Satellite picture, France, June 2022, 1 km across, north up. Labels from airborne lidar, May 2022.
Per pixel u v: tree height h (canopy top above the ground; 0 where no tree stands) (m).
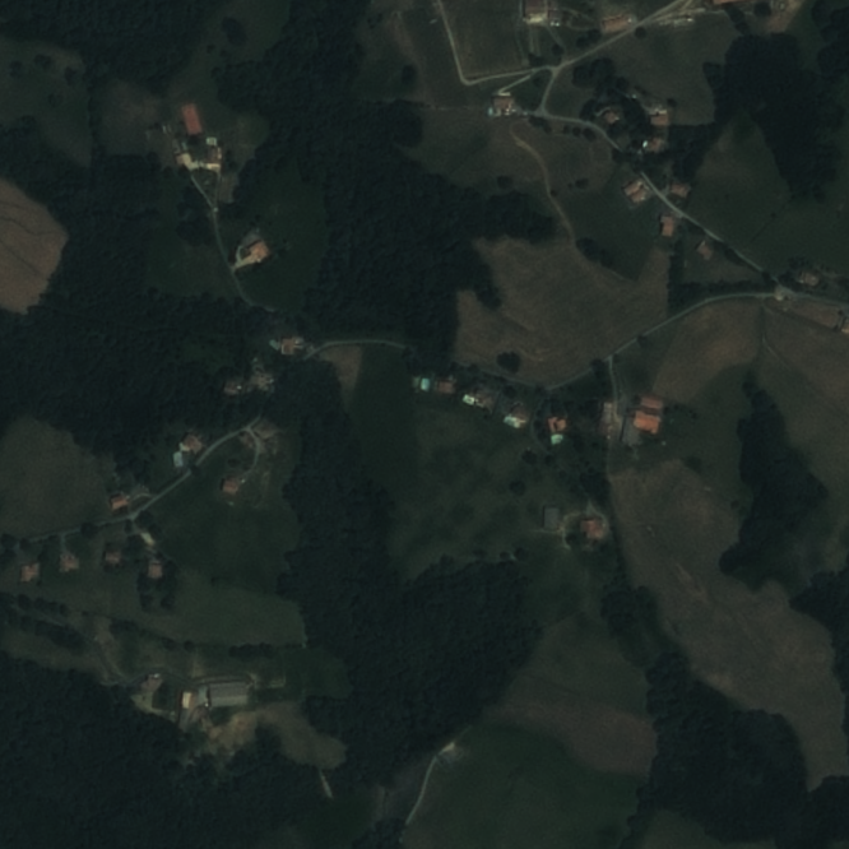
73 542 0
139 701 0
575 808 0
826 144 15
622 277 0
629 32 0
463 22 0
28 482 0
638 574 0
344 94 21
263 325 20
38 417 17
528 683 0
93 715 23
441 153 0
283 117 10
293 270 0
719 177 0
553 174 0
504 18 0
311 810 20
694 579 0
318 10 28
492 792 0
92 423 23
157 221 24
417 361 15
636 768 0
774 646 0
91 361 12
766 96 26
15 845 20
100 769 25
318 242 0
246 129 0
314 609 21
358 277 22
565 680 0
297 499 19
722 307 0
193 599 0
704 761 20
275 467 0
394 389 0
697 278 0
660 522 0
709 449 0
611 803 0
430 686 10
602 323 0
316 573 28
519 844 0
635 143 10
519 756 0
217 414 8
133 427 18
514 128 0
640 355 0
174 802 24
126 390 17
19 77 12
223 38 0
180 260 0
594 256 18
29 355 18
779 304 0
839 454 0
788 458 22
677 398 0
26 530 0
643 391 0
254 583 0
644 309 0
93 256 18
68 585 0
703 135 14
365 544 25
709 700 19
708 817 13
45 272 0
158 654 0
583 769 0
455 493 0
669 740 16
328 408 26
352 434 17
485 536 0
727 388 0
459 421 0
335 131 22
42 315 15
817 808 8
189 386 13
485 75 0
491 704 21
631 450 6
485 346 0
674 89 0
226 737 0
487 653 20
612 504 0
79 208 23
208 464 0
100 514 0
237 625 0
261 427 0
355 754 16
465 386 10
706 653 0
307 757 0
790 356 0
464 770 0
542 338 0
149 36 22
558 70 0
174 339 7
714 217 0
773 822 18
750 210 0
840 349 0
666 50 0
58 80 0
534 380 0
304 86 19
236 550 0
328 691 0
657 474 0
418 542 0
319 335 14
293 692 0
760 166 0
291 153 11
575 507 0
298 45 26
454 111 0
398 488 0
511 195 6
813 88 23
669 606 0
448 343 14
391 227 16
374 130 15
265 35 0
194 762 19
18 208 0
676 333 0
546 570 0
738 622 0
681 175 13
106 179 24
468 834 0
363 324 18
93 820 21
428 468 0
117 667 0
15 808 19
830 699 0
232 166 11
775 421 22
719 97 16
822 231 0
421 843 0
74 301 10
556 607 0
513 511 0
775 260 0
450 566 16
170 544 0
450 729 20
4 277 0
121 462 12
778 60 25
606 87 8
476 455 0
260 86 8
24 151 26
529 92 0
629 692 0
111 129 0
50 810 16
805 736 0
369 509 20
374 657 27
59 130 0
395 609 19
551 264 0
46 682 25
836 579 12
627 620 17
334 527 29
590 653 0
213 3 18
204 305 10
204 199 17
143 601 11
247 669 0
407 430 0
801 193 6
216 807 25
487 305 13
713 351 0
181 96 0
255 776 24
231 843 28
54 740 30
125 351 11
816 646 0
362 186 19
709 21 0
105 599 0
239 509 0
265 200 0
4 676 26
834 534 0
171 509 0
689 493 0
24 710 15
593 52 0
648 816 10
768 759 24
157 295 16
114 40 28
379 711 27
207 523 0
